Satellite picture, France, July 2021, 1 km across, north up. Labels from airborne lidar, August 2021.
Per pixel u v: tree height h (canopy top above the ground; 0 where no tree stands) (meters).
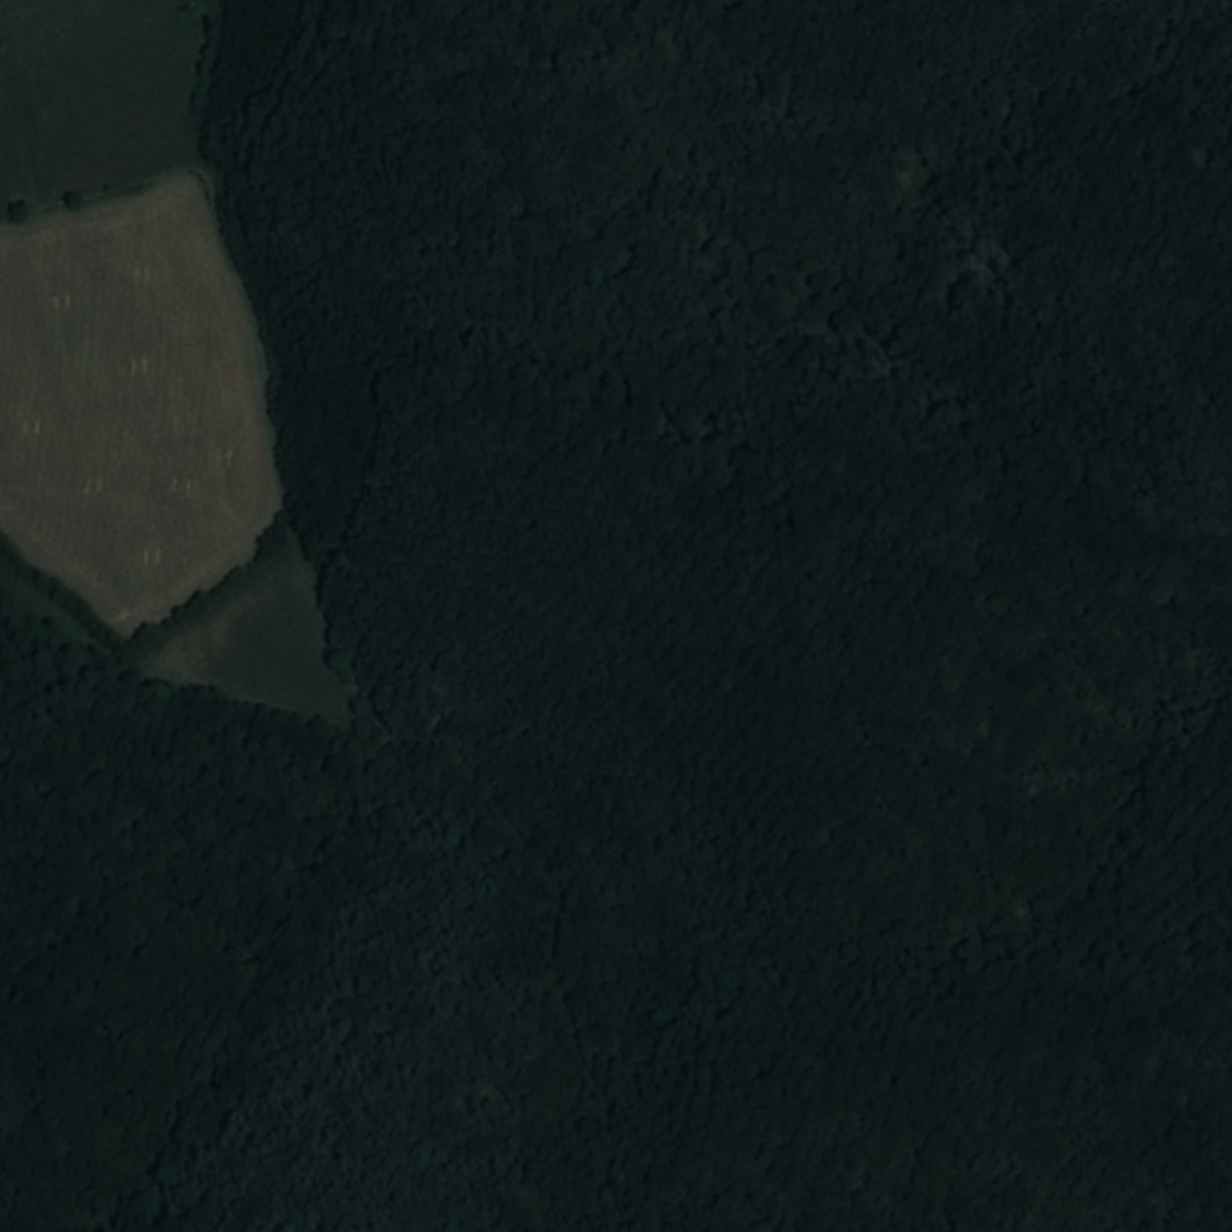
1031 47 24
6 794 22
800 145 21
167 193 0
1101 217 18
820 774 20
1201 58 29
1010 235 24
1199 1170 27
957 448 22
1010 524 19
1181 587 19
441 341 29
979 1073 17
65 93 0
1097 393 24
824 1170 21
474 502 23
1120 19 27
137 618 0
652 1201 19
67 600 10
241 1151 22
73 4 0
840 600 18
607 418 29
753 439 22
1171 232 20
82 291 0
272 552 20
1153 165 21
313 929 22
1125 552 19
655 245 23
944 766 25
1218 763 20
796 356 20
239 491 0
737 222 28
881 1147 21
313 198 19
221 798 24
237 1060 28
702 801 25
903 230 23
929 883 16
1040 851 21
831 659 20
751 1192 22
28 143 0
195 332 0
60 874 24
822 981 23
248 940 24
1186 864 20
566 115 29
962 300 24
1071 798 19
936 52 23
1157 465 22
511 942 21
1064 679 24
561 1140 12
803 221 31
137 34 0
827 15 19
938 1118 21
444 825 22
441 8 20
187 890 20
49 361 0
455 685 23
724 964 30
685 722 24
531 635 22
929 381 22
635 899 18
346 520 9
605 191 24
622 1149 17
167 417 0
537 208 21
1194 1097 21
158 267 0
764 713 20
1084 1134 22
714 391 26
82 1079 22
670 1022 10
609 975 20
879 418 23
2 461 0
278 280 16
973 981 25
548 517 20
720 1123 27
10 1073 18
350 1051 21
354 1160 23
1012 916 20
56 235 0
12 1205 19
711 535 19
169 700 25
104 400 0
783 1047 20
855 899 19
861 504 19
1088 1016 27
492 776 24
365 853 20
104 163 0
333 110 16
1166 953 24
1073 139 25
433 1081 25
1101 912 23
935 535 14
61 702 28
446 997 26
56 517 0
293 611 0
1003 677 23
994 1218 25
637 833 22
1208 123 29
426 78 19
